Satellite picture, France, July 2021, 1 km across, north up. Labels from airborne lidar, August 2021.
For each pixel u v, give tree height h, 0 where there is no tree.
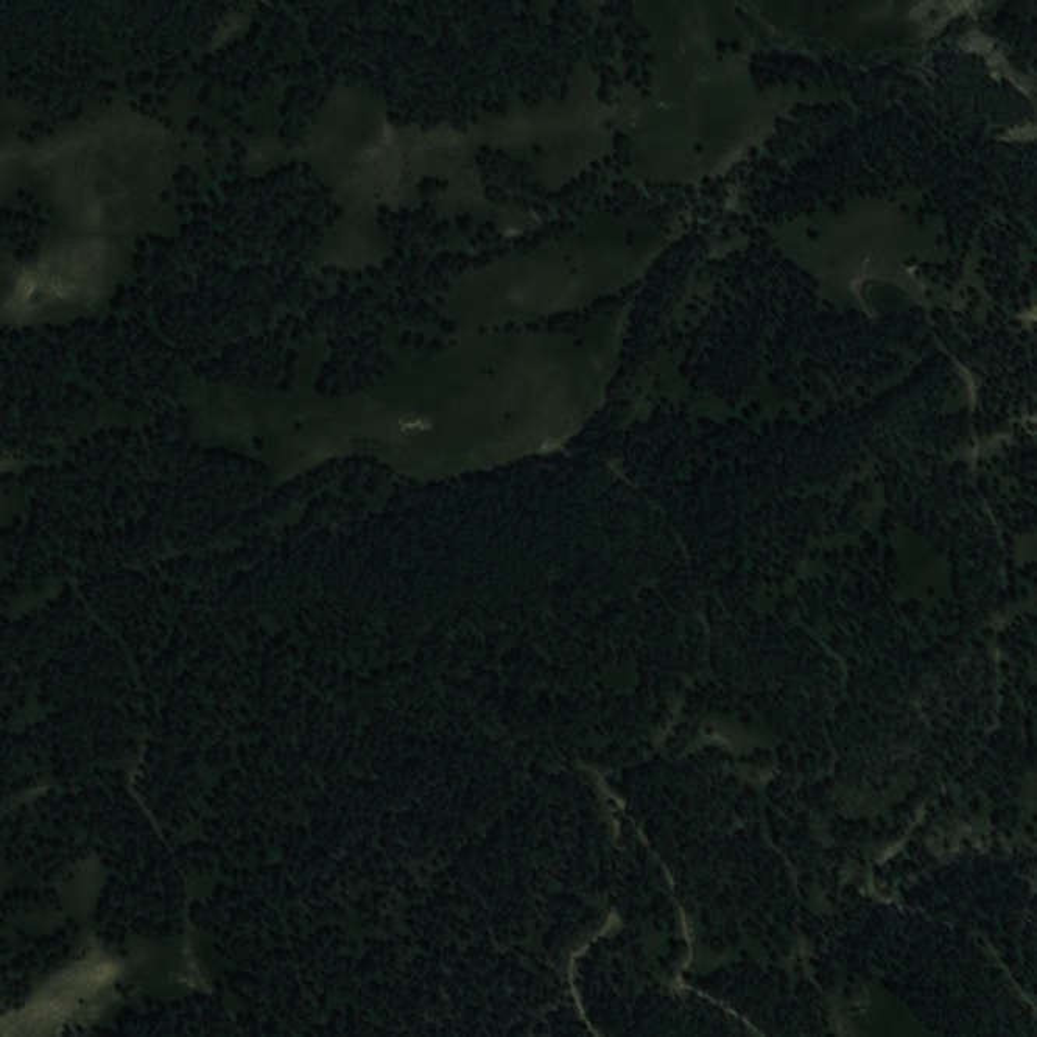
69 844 9
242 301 28
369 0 23
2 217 24
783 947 16
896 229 0
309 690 23
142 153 0
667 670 24
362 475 27
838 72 26
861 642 19
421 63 26
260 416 0
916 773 14
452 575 29
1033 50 12
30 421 24
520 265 0
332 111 0
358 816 22
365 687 23
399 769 31
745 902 20
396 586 31
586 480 26
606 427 15
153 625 25
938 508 23
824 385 17
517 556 24
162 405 23
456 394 0
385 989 27
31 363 19
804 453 24
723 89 0
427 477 0
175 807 20
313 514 24
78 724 26
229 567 22
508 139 0
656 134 0
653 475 13
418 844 15
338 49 27
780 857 29
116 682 23
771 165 25
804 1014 15
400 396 0
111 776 21
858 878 8
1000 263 16
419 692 23
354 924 0
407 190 0
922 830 16
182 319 23
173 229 0
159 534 27
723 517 20
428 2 22
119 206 0
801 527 24
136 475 19
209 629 30
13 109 0
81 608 24
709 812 20
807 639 22
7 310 0
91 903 0
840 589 25
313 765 27
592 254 0
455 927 19
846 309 0
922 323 17
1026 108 10
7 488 17
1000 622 0
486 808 17
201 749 26
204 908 20
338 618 24
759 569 13
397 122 14
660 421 19
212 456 26
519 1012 15
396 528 33
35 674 12
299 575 25
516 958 16
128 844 18
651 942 0
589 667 17
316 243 16
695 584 27
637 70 18
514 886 25
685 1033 28
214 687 25
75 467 31
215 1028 21
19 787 20
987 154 28
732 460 21
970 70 15
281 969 22
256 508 17
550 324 10
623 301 13
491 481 24
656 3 0
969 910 18
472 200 0
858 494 20
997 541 18
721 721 0
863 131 24
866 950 24
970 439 10
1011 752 29
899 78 12
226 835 24
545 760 22
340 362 20
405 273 20
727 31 0
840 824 22
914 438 10
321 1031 22
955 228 17
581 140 0
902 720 21
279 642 22
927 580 0
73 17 22
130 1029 28
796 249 0
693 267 17
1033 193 17
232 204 20
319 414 0
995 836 10
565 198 20
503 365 0
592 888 24
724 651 27
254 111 0
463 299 0
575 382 0
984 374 14
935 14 8
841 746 17
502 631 22
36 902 14
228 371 25
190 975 0
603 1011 24
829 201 20
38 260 0
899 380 0
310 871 27
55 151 0
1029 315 0
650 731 17
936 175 17
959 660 27
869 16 0
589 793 28
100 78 17
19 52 19
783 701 25
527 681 29
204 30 20
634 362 14
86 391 18
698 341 21
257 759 23
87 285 0
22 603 0
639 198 20
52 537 29
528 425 0
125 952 16
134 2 15
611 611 22
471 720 23
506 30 27
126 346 29
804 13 0
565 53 20
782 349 19
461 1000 23
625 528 26
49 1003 0
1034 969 28
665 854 27
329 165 0
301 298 18
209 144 14
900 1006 0
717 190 21
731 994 31
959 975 27
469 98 20
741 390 22
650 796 23
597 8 0
